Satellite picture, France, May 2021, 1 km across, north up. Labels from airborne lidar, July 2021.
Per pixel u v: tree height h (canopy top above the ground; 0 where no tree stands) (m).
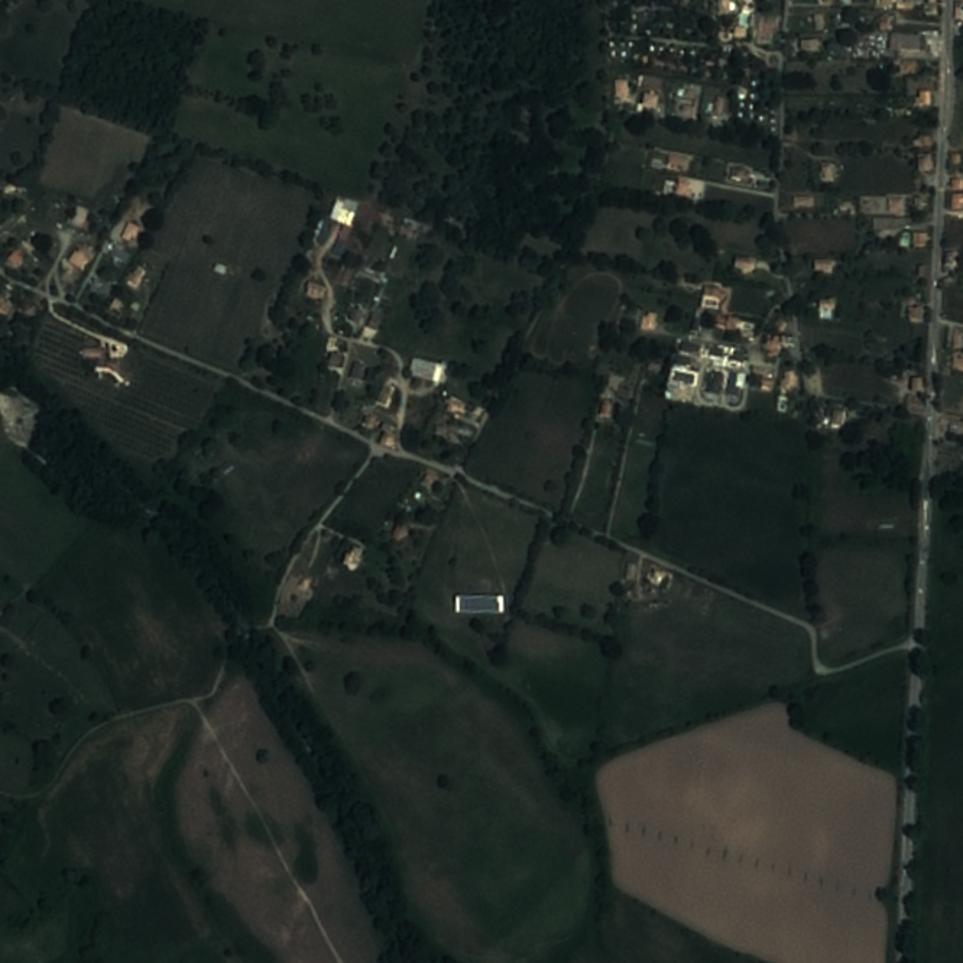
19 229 0
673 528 0
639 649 0
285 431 8
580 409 0
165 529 15
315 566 0
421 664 0
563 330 0
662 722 0
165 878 0
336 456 0
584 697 0
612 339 13
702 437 0
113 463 12
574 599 0
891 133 0
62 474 18
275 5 0
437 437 8
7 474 0
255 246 0
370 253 0
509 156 19
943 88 0
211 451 11
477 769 0
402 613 7
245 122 0
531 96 18
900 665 0
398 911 15
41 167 11
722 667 0
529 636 0
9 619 6
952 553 0
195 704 0
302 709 19
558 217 16
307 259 14
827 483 0
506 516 0
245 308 0
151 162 14
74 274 0
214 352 0
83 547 0
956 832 0
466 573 0
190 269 0
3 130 0
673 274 14
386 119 0
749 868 0
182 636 0
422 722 0
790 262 9
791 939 0
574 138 16
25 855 0
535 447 0
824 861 0
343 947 0
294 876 0
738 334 6
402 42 0
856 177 0
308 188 9
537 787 0
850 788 0
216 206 0
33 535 0
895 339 0
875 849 0
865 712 0
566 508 7
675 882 0
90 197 0
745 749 0
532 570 6
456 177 10
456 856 0
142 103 10
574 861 0
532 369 15
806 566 12
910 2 0
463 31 11
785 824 0
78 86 10
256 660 15
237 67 0
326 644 0
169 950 0
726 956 0
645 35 6
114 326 9
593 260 10
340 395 8
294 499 0
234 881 0
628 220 0
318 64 0
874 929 0
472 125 13
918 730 25
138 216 0
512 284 0
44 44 0
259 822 0
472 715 0
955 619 0
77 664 0
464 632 0
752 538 0
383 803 0
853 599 0
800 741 0
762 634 0
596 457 0
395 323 0
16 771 0
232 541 12
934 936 0
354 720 0
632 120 15
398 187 15
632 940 0
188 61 11
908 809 0
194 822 0
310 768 16
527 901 0
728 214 16
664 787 0
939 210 0
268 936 0
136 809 0
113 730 0
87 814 0
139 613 0
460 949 0
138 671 0
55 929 0
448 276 11
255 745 0
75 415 12
